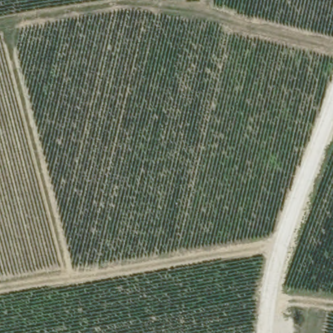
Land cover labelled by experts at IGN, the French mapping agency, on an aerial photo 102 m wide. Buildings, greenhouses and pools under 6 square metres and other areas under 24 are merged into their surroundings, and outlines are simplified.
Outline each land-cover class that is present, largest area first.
<instances>
[{"label":"vineyard","instance_id":"1","mask_svg":"<svg viewBox=\"0 0 333 333\"><path fill-rule=\"evenodd\" d=\"M333 81V0H0V333H254L260 304L258 287L261 286L265 260L273 251L274 238L271 234L276 229L278 213L284 209L286 196L293 187L297 168L302 164L316 118L323 108L326 88ZM306 221L300 225L297 246L282 285V291L287 295L333 299V140L325 148L323 163L313 181L310 202L303 207Z\"/></svg>","mask_w":333,"mask_h":333},{"label":"pervious surface","instance_id":"2","mask_svg":"<svg viewBox=\"0 0 333 333\"><path fill-rule=\"evenodd\" d=\"M333 140V81L326 88L323 108L316 118L302 164L297 168L293 187L286 196L284 209L278 213L276 229L271 234L274 238L273 251L265 260L261 286L258 287L260 304L254 333H293V319H285L282 316L286 308L302 307L333 311V299L287 295L282 291V285L297 246L300 225L306 221L303 207L310 202L313 181L323 163L325 148Z\"/></svg>","mask_w":333,"mask_h":333},{"label":"herbaceous vegetation","instance_id":"3","mask_svg":"<svg viewBox=\"0 0 333 333\"><path fill-rule=\"evenodd\" d=\"M282 316L285 319H293V333H333V311L302 307L286 308Z\"/></svg>","mask_w":333,"mask_h":333}]
</instances>
